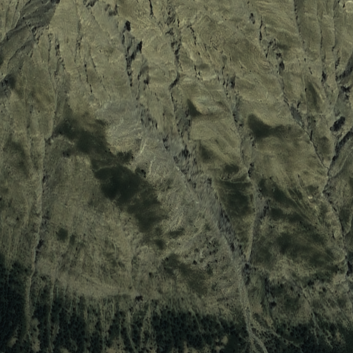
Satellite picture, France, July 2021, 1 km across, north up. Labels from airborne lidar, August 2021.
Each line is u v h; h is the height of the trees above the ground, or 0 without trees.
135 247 0
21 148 0
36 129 0
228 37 0
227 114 0
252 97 0
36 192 0
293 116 0
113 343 0
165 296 0
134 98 0
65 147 0
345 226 0
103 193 0
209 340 20
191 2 0
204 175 0
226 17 0
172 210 0
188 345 6
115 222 0
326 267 0
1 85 0
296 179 0
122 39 0
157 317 12
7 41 0
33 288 0
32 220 0
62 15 0
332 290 0
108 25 0
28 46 0
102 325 0
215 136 0
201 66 0
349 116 0
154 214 0
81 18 0
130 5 0
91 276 0
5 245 0
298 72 0
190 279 0
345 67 0
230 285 0
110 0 0
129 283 0
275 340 7
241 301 0
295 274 0
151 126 0
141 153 0
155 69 0
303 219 0
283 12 0
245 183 0
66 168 0
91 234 0
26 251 0
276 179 0
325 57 0
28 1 0
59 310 6
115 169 0
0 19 0
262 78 0
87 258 0
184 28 0
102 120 0
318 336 15
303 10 0
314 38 0
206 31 0
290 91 0
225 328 13
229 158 0
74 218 0
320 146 0
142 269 0
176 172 0
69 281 0
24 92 0
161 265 0
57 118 0
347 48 0
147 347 0
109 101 0
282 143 0
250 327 0
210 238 0
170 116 0
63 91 0
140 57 0
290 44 0
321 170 0
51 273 0
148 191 0
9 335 18
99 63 0
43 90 0
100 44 0
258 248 0
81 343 18
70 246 0
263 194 0
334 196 0
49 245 0
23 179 0
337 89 0
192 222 0
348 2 0
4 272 9
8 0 0
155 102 0
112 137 0
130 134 0
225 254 0
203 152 0
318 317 6
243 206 0
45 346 13
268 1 0
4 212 0
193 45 0
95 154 0
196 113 0
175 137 0
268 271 0
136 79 0
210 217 0
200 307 0
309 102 0
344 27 0
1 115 0
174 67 0
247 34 0
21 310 8
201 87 0
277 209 0
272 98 0
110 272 0
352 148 0
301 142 0
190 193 0
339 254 0
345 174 0
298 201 0
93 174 0
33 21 0
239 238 0
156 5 0
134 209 0
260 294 0
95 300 0
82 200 0
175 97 0
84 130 0
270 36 0
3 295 14
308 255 0
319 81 0
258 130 0
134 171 0
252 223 0
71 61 0
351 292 0
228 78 0
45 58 0
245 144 0
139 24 0
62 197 0
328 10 0
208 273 0
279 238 0
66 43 0
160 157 0
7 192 0
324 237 0
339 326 7
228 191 0
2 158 0
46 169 0
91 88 0
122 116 0
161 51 0
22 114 0
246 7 0
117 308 0
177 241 0
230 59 0
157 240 0
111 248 0
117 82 0
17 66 0
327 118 0
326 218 0
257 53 0
